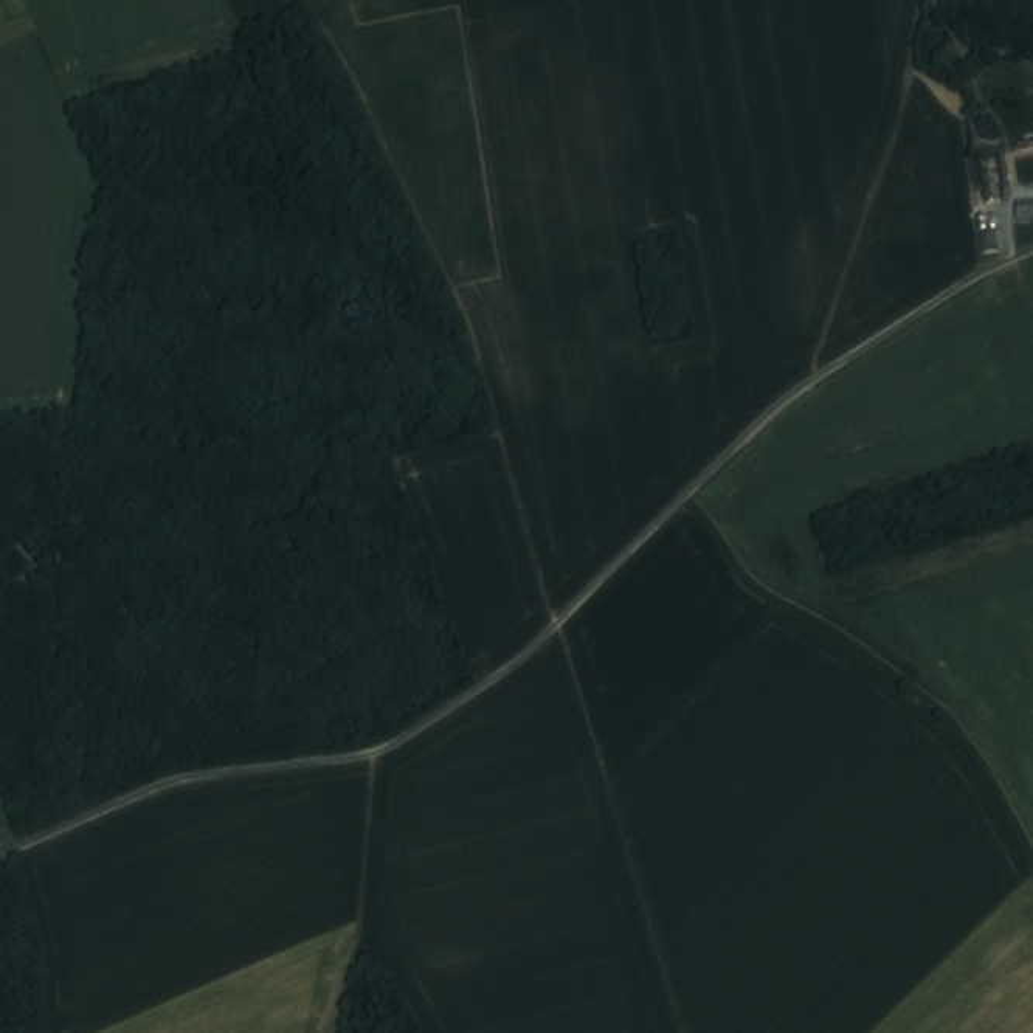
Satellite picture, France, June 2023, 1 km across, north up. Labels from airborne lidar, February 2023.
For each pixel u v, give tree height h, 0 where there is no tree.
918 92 0
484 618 0
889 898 0
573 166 0
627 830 0
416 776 0
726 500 0
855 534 15
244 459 26
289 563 25
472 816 0
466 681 9
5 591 25
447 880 0
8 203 0
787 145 0
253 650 22
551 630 0
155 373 25
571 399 0
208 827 0
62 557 26
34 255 0
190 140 24
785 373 0
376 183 15
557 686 0
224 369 22
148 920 0
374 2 0
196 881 0
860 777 0
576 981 0
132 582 24
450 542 0
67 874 0
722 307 0
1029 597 0
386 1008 21
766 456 0
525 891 0
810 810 0
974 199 0
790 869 0
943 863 0
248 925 0
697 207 0
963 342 0
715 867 0
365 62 0
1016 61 10
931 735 0
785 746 0
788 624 0
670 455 0
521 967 0
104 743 22
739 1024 0
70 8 0
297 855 0
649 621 0
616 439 0
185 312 24
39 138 0
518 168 0
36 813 20
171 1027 0
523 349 0
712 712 0
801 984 0
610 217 0
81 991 0
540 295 0
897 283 0
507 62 0
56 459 27
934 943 0
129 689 26
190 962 0
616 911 0
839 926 0
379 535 24
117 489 24
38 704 23
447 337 19
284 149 18
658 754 0
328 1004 0
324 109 19
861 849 0
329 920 0
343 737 21
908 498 7
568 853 0
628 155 0
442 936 0
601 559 0
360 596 25
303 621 27
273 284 8
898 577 0
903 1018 0
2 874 19
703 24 0
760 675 0
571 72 0
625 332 0
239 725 24
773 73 0
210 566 22
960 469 6
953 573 0
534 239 0
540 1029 0
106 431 23
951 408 0
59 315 0
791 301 0
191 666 26
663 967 0
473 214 0
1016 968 0
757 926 0
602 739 0
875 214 0
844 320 0
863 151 0
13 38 0
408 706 23
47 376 0
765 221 0
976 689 0
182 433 24
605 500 0
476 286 0
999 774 0
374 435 27
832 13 0
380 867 0
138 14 0
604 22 0
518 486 0
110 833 0
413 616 24
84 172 0
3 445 24
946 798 0
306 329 8
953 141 0
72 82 0
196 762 18
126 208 18
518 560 0
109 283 21
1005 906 0
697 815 0
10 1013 23
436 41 0
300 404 21
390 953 0
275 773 0
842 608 0
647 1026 0
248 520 25
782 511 0
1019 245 0
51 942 0
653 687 0
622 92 0
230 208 23
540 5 0
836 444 0
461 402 24
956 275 0
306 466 24
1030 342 0
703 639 0
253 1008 0
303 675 23
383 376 25
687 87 0
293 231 23
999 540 0
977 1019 0
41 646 22
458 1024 0
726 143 0
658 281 19
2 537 25
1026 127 0
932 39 13
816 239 0
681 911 0
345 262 20
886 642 0
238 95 24
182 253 23
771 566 0
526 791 0
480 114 0
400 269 10
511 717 0
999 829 0
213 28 0
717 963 0
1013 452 12
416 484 0
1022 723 0
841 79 0
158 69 0
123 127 24
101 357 21
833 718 0
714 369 0
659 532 0
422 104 0
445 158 0
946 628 0
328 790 0
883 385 0
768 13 0
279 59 23
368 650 26
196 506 18
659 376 0
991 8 14
